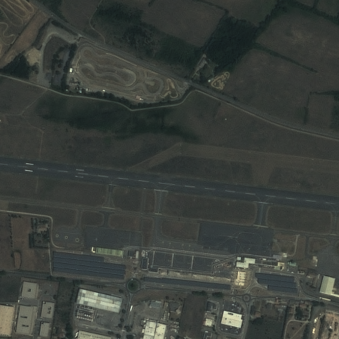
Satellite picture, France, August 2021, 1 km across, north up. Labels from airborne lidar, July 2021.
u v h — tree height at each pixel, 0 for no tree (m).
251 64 0
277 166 0
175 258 0
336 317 0
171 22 0
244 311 0
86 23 0
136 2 0
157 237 0
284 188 0
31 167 0
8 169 0
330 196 0
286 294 0
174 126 0
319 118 0
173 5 0
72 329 14
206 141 0
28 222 0
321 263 0
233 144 0
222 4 0
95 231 0
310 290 0
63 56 0
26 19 0
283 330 8
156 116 0
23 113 0
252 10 0
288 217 0
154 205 0
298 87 0
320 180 0
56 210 0
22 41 0
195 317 0
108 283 0
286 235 0
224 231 0
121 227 0
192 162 0
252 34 19
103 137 0
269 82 0
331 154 0
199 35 0
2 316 0
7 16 0
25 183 0
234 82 0
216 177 0
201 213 0
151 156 0
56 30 0
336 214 0
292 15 0
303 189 0
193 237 0
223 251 0
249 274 0
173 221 0
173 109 0
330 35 0
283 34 0
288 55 0
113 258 0
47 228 7
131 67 0
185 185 0
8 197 0
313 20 0
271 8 0
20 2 0
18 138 0
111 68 0
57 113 0
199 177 0
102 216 0
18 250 0
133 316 0
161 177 0
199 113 0
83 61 0
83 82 0
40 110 0
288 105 0
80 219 0
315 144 0
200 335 0
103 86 0
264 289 0
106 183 0
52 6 8
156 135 0
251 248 0
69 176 0
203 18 0
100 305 0
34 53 0
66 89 8
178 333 0
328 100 0
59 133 0
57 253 0
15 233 0
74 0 0
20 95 0
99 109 0
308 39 0
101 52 0
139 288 0
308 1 0
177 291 0
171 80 0
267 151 0
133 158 0
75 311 0
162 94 0
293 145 0
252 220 0
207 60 9
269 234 0
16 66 8
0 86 0
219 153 0
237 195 0
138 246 0
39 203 0
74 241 0
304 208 0
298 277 0
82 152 0
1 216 0
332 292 0
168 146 0
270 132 0
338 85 0
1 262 0
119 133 0
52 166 0
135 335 0
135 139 0
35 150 0
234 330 0
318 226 0
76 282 15
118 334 7
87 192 0
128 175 0
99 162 0
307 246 0
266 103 0
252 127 0
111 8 6
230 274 0
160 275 0
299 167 0
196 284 0
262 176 0
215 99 0
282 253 0
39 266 0
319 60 0
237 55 14
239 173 0
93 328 0
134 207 0
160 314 0
